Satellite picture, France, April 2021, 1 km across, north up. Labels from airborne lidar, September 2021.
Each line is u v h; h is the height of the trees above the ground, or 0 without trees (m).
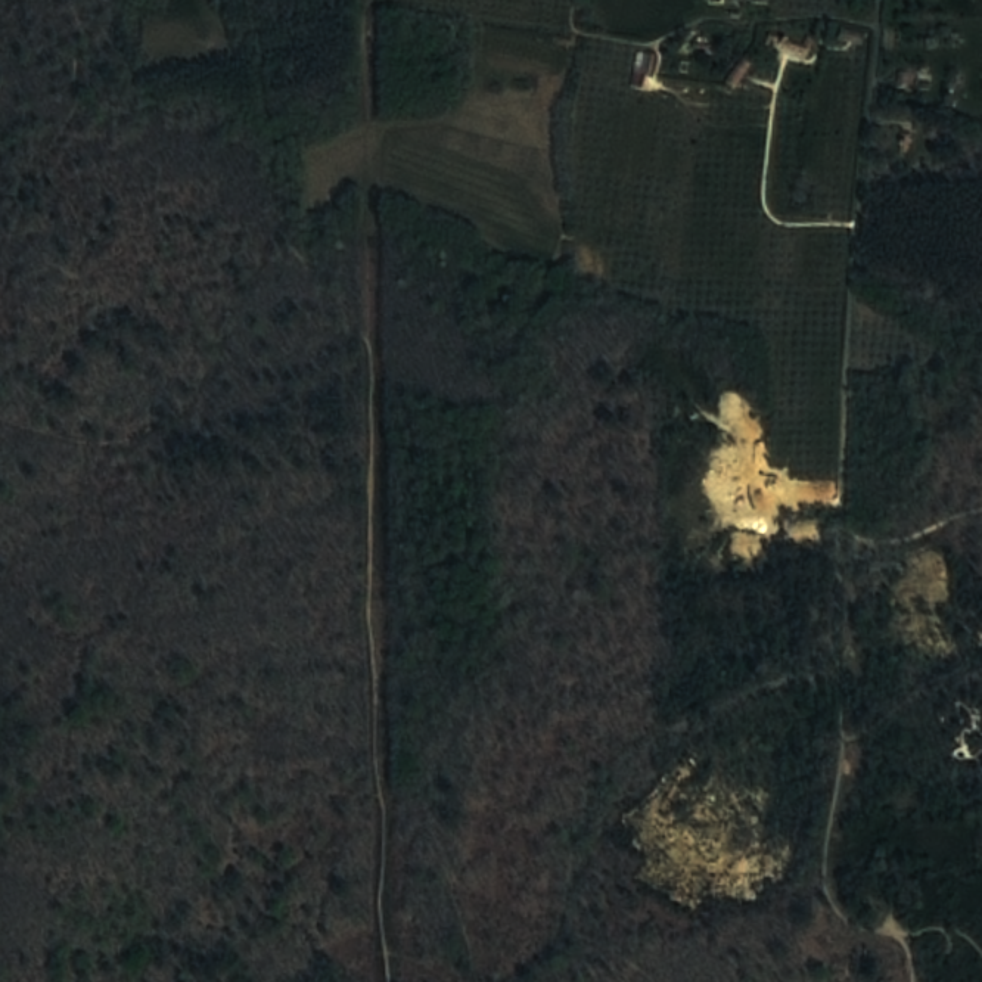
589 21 17
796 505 0
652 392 9
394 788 19
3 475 11
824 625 10
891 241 23
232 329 21
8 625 13
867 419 11
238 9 21
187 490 10
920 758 23
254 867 15
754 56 7
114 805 15
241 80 26
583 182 7
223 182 12
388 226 25
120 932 18
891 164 14
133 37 13
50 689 8
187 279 11
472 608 28
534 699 18
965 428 20
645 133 0
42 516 11
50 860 9
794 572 27
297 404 20
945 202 24
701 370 11
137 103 21
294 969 18
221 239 12
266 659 20
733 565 8
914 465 9
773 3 10
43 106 12
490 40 0
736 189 7
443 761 17
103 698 23
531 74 0
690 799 12
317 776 7
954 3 0
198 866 11
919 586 0
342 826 19
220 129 20
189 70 18
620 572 22
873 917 19
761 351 17
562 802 21
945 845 0
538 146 0
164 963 18
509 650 12
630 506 17
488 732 25
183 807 13
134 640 5
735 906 8
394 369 17
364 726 14
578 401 19
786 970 19
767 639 25
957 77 14
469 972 16
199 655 10
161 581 11
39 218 13
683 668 14
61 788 7
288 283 15
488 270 22
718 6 0
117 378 15
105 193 9
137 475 14
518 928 6
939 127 26
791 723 22
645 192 6
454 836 20
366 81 0
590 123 8
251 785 19
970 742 17
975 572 12
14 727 19
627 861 7
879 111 12
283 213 14
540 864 21
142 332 15
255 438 29
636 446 13
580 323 19
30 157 21
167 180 9
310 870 7
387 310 17
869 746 19
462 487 21
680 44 12
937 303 18
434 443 25
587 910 18
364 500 14
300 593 19
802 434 6
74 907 10
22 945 13
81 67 20
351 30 15
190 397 25
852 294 12
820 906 20
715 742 14
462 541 22
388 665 17
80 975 16
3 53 6
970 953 0
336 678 21
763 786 8
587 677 13
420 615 25
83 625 18
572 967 20
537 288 20
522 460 20
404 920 17
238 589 13
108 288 18
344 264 16
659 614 17
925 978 7
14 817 14
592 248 0
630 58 8
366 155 0
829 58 7
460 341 19
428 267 12
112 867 11
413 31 22
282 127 26
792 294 8
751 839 11
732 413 0
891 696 16
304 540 13
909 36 9
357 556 17
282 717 9
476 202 0
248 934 22
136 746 21
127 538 9
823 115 0
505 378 26
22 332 17
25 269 15
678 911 6
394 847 8
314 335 14
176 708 19
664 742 10
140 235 12
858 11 15
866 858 9
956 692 14
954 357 23
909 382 23
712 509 0
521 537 9
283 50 13
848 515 12
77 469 11
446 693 25
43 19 7
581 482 12
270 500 17
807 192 10
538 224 0
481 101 0
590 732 18
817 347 7
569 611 21
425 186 0
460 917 15
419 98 21
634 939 18
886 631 17
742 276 7
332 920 17
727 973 13
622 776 17
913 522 22
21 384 16
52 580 12
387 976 0
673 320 14
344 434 25
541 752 16
